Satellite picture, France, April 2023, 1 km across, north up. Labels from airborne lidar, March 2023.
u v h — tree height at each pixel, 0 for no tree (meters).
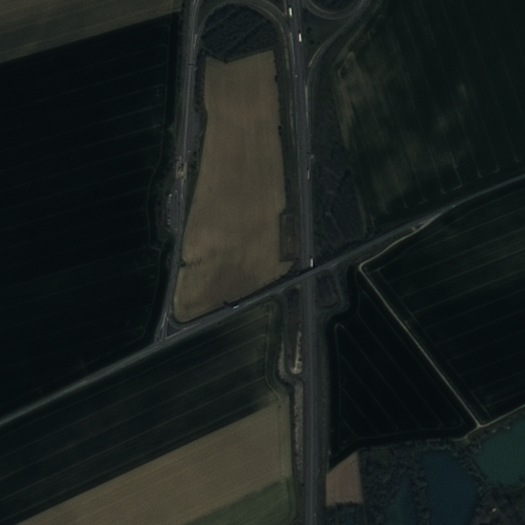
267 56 0
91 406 0
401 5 0
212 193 0
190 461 0
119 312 0
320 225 13
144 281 0
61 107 0
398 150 0
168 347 0
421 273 0
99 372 0
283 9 0
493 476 0
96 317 0
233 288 0
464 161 0
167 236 0
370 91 0
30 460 0
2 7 0
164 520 0
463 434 0
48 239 0
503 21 0
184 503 0
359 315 0
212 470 0
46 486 0
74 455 0
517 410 0
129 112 0
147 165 0
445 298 0
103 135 0
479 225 0
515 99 0
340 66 0
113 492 0
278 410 0
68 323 0
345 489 0
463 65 0
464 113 0
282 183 0
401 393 0
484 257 0
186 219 0
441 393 0
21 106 0
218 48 11
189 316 0
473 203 0
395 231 0
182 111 0
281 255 0
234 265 0
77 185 0
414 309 0
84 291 0
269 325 0
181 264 0
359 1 0
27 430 0
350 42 0
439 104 0
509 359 0
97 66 0
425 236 0
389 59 0
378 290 0
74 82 0
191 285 0
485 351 0
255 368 0
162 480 0
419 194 0
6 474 0
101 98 0
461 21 0
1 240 0
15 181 0
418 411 0
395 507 0
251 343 0
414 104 0
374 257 0
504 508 26
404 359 0
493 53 0
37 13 0
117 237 0
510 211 0
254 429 0
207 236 0
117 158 0
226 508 0
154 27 0
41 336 0
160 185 6
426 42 0
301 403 0
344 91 0
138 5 0
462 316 0
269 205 0
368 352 0
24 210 0
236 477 0
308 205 0
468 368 0
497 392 0
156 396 0
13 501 0
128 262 0
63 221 0
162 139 0
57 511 0
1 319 0
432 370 0
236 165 0
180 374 0
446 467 0
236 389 0
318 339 0
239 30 10
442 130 0
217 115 0
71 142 0
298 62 0
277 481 0
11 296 0
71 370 0
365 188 0
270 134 0
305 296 0
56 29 0
